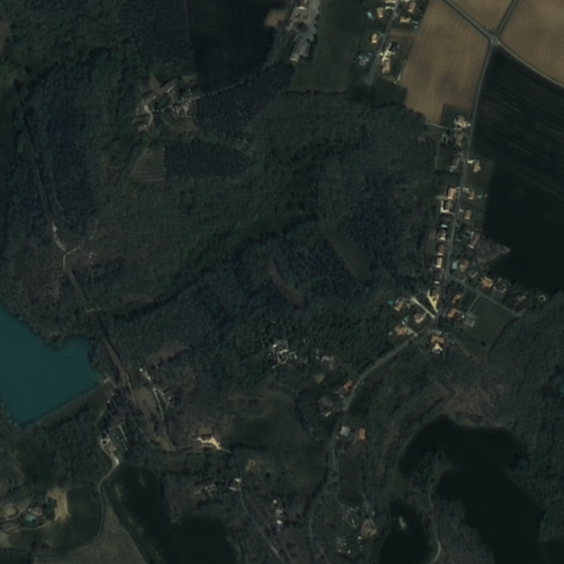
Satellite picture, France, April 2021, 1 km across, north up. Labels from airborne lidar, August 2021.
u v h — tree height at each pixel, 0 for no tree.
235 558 0
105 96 9
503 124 0
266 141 18
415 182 17
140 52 13
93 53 0
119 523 0
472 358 9
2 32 0
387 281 17
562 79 0
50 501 8
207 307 22
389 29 0
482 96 0
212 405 19
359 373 8
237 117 11
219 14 0
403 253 17
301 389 17
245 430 0
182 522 0
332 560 16
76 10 17
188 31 10
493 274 8
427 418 15
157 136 0
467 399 9
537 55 0
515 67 0
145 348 19
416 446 0
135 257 8
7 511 0
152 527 0
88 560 0
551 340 23
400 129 13
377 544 7
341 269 17
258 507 17
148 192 14
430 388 11
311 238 18
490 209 0
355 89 0
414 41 0
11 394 0
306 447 0
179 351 0
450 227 7
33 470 0
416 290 17
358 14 0
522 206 0
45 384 0
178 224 18
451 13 0
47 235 7
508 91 0
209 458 19
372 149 14
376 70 0
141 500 0
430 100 0
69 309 20
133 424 15
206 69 0
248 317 15
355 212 15
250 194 20
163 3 12
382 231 19
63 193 16
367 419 12
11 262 14
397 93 0
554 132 0
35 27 23
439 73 0
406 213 15
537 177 0
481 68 0
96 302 21
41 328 21
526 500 0
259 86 11
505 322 0
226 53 0
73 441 21
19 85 0
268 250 23
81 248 10
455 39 0
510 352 18
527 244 0
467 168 0
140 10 10
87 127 16
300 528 9
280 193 16
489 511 0
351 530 0
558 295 15
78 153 18
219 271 25
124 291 19
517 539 0
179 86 0
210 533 0
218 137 10
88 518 0
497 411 11
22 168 16
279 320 12
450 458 0
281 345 0
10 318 0
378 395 18
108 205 12
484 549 18
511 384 11
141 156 12
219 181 20
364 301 11
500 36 0
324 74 0
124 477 0
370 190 12
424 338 11
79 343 0
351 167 18
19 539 0
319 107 17
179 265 21
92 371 0
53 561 0
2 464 14
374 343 7
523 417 19
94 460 28
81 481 22
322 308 11
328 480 14
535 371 19
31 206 19
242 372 19
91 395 0
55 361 0
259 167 22
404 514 0
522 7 0
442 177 17
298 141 21
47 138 15
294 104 17
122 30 11
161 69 9
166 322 23
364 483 11
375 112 12
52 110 16
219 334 12
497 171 0
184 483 23
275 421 0
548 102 0
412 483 0
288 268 14
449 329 12
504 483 0
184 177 11
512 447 0
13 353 0
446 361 13
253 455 16
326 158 18
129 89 13
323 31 0
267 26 0
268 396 0
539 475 7
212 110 11
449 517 17
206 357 16
